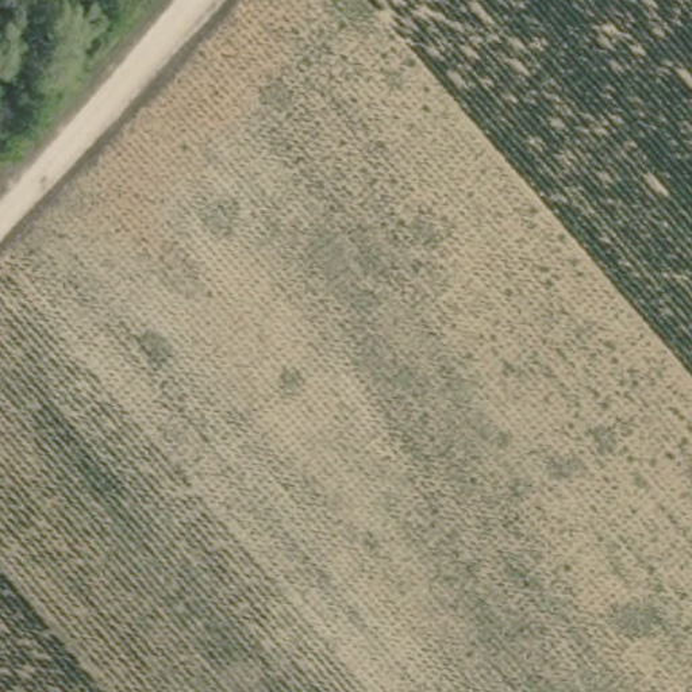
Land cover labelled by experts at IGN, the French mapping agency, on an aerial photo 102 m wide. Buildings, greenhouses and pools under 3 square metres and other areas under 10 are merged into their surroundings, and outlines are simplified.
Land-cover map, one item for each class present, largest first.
<instances>
[{"label":"vineyard","instance_id":"1","mask_svg":"<svg viewBox=\"0 0 692 692\"><path fill-rule=\"evenodd\" d=\"M0 692H692V0H222V5L205 19V24H200L181 43V49L170 54V59L95 138V143L0 238Z\"/></svg>","mask_w":692,"mask_h":692},{"label":"pervious surface","instance_id":"2","mask_svg":"<svg viewBox=\"0 0 692 692\"><path fill-rule=\"evenodd\" d=\"M222 5V0H173L143 32V38L127 51V57L114 68V73L97 87V92L84 103V108L68 124L59 127L54 141L35 157L32 165L22 170L16 181H11L8 192L0 197V238L95 143V138L170 59V54L181 49V43L200 24H205V19Z\"/></svg>","mask_w":692,"mask_h":692},{"label":"deciduous trees","instance_id":"3","mask_svg":"<svg viewBox=\"0 0 692 692\"><path fill-rule=\"evenodd\" d=\"M154 0H103L92 8L62 11V16L54 24L57 49L51 54L49 70L41 76V92L46 100L32 114L30 124L14 138L8 151L0 154V197L8 192L11 181H16L22 170L32 165L35 157L54 141L59 127L57 119L84 89L92 70L100 68L108 59V54L138 27V19L151 8Z\"/></svg>","mask_w":692,"mask_h":692},{"label":"coniferous trees","instance_id":"4","mask_svg":"<svg viewBox=\"0 0 692 692\"><path fill-rule=\"evenodd\" d=\"M103 0H0V154L8 151L14 138L30 124L32 114L46 100L41 92V76L49 70L51 54L57 49L54 24L62 16V11L92 8Z\"/></svg>","mask_w":692,"mask_h":692},{"label":"herbaceous vegetation","instance_id":"5","mask_svg":"<svg viewBox=\"0 0 692 692\"><path fill-rule=\"evenodd\" d=\"M173 0H154L151 8L138 19V27L108 54V59L100 68L92 70L84 89L57 119L59 127L68 124L84 108V103L97 92V87L114 73V68L127 57V51L143 38V32Z\"/></svg>","mask_w":692,"mask_h":692}]
</instances>
